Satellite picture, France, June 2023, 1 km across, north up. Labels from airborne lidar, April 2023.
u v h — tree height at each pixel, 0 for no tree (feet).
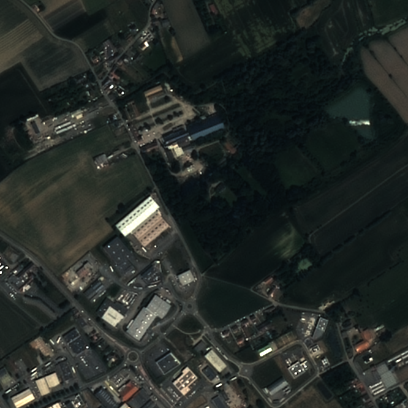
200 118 29
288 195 62
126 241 0
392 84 0
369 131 0
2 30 0
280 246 0
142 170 0
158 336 0
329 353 0
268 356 0
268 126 22
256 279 0
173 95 0
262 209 92
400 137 0
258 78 61
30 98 0
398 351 0
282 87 43
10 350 0
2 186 0
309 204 0
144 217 0
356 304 0
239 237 88
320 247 0
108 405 0
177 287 0
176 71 0
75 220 0
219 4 0
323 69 64
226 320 0
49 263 0
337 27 0
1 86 0
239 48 0
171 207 88
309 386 0
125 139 0
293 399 0
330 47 0
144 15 0
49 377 0
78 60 0
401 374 0
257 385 0
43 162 0
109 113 0
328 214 0
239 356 0
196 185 99
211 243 75
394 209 0
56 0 0
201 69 0
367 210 0
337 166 0
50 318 0
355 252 0
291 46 65
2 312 0
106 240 0
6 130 0
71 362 0
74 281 0
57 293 0
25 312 0
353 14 0
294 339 0
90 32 0
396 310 0
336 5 0
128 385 0
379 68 0
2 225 0
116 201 0
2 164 0
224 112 24
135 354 0
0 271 0
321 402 0
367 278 0
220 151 0
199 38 0
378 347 0
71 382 0
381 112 0
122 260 0
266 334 0
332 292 0
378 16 0
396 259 0
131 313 0
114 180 0
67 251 0
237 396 0
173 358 0
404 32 0
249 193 86
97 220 0
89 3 0
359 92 0
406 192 0
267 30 0
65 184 0
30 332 0
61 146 0
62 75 0
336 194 0
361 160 20
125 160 0
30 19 0
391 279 0
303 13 0
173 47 0
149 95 0
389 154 0
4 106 0
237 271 0
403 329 0
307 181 0
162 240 0
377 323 0
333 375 27
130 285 0
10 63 0
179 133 0
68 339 0
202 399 0
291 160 0
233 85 28
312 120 66
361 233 33
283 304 0
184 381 0
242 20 0
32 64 0
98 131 0
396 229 0
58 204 0
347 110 0
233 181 91
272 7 0
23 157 0
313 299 0
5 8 0
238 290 0
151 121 0
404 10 0
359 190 0
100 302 0
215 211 102
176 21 0
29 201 0
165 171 73
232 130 22
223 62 0
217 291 0
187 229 0
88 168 0
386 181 0
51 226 0
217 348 0
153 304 0
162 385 0
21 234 0
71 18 0
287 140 67
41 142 0
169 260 0
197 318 0
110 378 0
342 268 0
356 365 0
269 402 0
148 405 0
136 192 0
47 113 0
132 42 0
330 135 0
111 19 0
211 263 0
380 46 0
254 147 75
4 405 0
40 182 0
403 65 0
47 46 0
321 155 0
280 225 0
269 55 54
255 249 0
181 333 0
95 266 0
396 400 0
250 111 34
